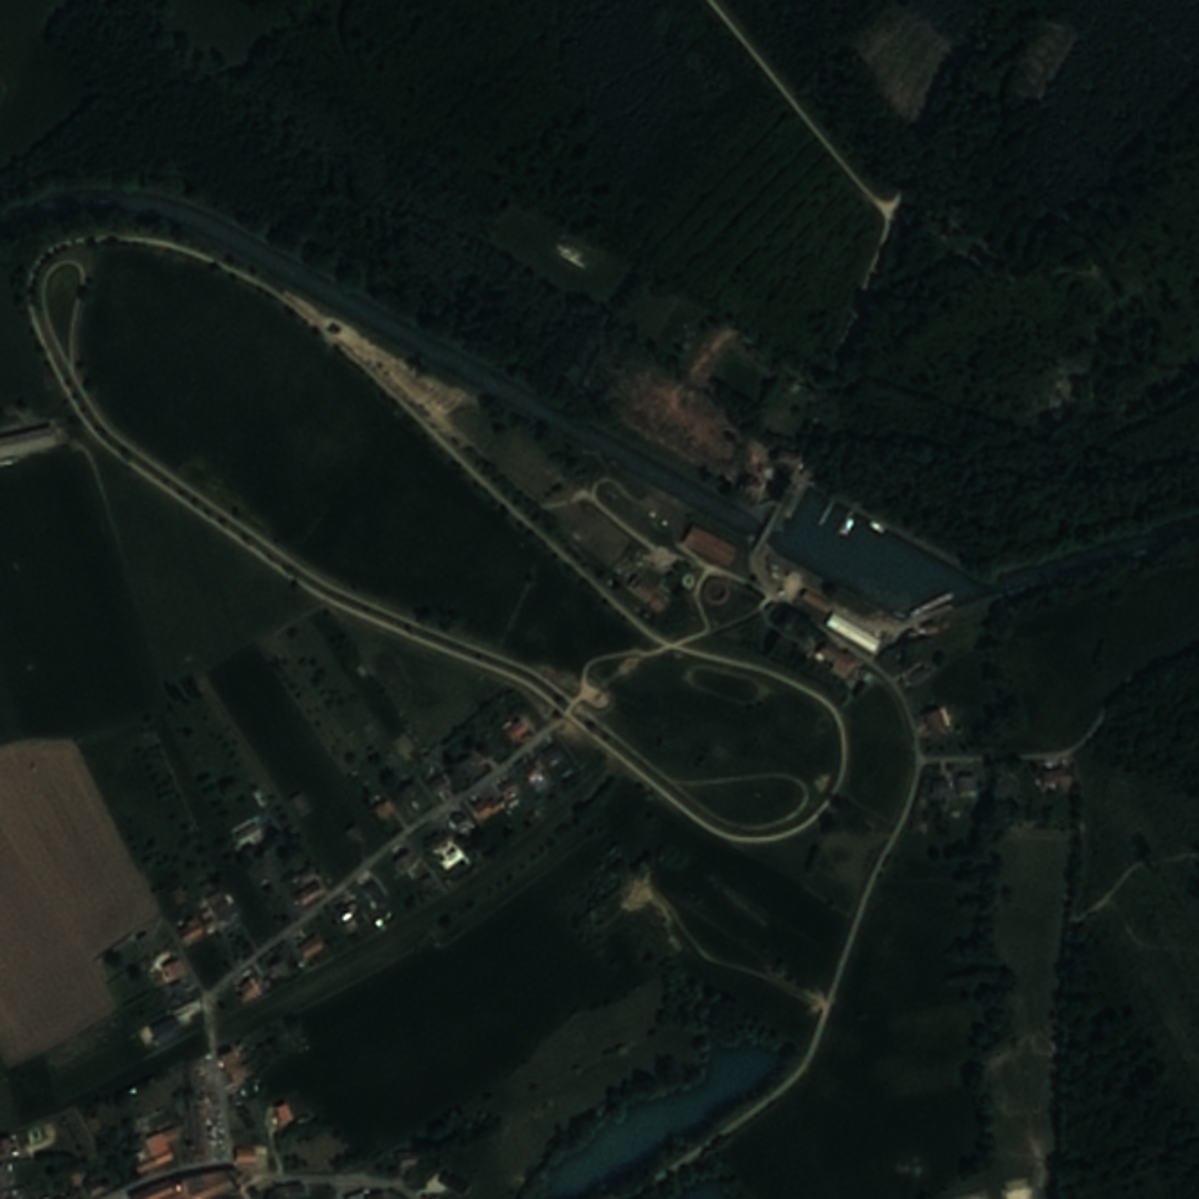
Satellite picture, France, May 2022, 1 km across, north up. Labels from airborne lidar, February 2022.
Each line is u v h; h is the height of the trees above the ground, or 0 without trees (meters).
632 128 14
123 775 0
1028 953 0
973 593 0
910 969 0
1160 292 0
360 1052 0
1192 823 0
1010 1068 0
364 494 0
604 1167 0
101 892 0
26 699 0
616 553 0
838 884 0
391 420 0
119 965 7
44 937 0
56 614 0
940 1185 0
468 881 0
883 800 0
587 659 0
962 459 20
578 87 13
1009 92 12
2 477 0
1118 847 0
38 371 0
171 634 0
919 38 0
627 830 0
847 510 0
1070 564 0
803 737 0
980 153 29
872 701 0
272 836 15
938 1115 0
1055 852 0
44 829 0
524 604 0
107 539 0
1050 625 0
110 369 0
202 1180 0
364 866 0
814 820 0
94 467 0
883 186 12
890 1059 0
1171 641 0
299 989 0
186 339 0
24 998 0
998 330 0
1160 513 25
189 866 6
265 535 0
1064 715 0
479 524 0
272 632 0
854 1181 0
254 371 0
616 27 14
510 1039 0
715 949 0
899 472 20
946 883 0
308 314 0
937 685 0
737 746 0
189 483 0
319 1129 7
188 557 0
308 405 0
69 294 0
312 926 0
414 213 19
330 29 10
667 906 0
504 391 0
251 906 0
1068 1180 19
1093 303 0
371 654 0
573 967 0
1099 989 26
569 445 0
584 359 34
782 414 0
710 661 0
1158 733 19
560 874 0
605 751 0
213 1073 0
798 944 0
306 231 18
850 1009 0
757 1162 0
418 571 0
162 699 0
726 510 0
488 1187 0
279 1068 0
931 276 27
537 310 24
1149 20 15
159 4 20
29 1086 0
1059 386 0
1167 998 0
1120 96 10
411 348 0
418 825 0
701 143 9
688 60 13
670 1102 0
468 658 0
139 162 18
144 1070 0
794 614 16
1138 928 0
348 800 0
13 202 20
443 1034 0
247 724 0
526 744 0
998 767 10
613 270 0
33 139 0
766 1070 0
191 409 0
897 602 0
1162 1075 20
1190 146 17
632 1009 0
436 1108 0
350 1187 0
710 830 0
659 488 0
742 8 11
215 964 0
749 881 0
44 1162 9
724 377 0
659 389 24
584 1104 0
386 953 0
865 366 26
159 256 0
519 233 0
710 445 25
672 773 0
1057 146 20
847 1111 0
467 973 0
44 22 0
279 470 0
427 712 0
